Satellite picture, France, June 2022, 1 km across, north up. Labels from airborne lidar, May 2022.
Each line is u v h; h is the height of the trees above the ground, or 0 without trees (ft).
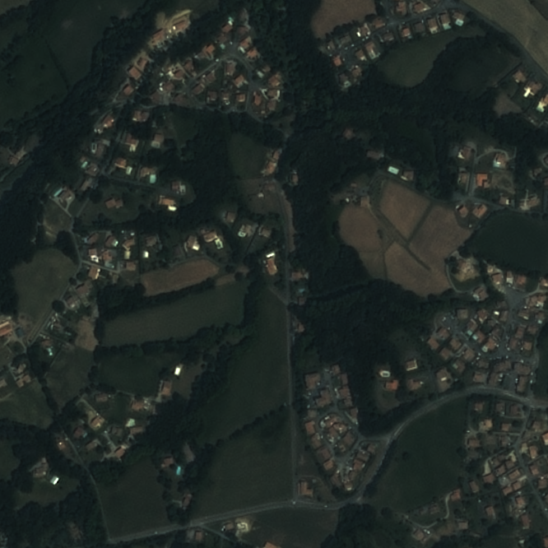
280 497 0
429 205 0
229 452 0
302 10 72
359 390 57
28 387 0
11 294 54
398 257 0
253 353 0
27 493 55
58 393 0
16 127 52
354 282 66
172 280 0
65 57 0
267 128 51
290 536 0
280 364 0
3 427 77
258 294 38
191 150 42
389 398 0
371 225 0
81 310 0
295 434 0
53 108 28
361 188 0
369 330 80
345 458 0
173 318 0
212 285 30
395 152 62
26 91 0
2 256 91
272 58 41
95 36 0
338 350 53
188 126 0
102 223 46
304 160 61
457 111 59
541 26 0
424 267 0
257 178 0
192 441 39
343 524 62
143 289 52
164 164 51
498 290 0
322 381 0
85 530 65
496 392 0
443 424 0
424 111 52
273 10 38
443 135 40
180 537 55
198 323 0
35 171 66
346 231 0
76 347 0
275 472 0
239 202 48
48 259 0
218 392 28
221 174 77
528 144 62
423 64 0
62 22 0
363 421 61
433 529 0
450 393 30
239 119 63
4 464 0
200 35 69
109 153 26
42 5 61
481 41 58
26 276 0
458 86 0
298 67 67
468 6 0
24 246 86
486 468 0
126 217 0
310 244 78
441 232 0
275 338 0
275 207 0
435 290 0
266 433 0
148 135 59
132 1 0
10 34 0
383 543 0
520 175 44
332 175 39
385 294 77
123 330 0
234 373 0
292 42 67
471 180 0
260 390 0
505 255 0
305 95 63
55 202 0
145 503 0
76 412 27
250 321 68
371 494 44
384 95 49
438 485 0
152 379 0
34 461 58
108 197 0
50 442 75
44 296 0
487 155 0
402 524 26
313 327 87
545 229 0
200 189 68
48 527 59
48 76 0
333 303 97
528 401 0
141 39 73
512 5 0
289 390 0
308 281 29
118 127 39
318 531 0
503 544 0
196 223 62
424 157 57
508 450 32
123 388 0
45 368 50
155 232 33
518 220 0
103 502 0
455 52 75
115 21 55
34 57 0
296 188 39
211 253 29
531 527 0
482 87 0
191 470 76
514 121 30
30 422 0
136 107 44
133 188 24
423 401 34
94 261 0
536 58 0
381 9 42
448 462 0
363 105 79
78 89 66
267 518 0
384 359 42
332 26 0
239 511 0
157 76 0
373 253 0
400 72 0
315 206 45
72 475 54
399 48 24
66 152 41
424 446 0
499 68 0
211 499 0
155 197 0
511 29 0
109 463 45
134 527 0
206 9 0
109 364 0
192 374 0
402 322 67
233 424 0
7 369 31
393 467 0
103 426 0
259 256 47
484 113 39
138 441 62
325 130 91
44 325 0
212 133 36
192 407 73
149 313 0
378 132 60
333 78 43
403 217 0
